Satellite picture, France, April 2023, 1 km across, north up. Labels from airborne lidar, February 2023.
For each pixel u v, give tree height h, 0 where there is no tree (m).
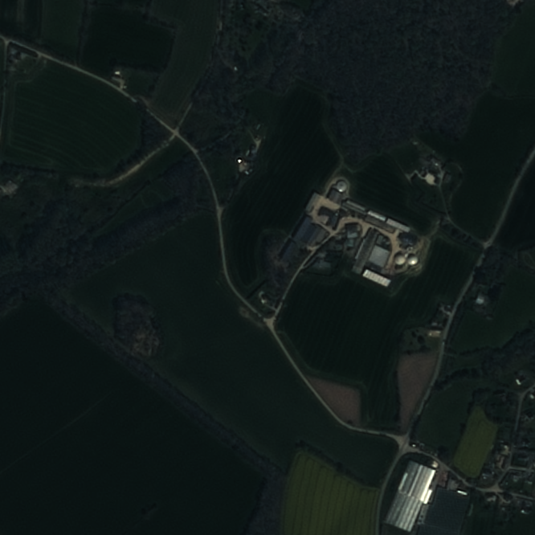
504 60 0
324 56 16
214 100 31
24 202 0
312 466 0
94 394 0
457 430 0
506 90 0
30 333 0
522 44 0
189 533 0
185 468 0
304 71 17
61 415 0
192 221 0
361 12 18
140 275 0
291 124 0
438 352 0
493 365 23
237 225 0
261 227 0
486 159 0
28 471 0
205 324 0
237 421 0
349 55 14
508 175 0
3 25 0
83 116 0
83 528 0
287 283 17
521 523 0
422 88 20
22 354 0
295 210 0
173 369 0
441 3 22
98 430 0
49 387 0
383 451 0
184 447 0
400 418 11
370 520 0
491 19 20
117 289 0
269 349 0
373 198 0
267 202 0
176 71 0
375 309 0
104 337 20
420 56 16
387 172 0
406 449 0
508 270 10
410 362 0
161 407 0
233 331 0
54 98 0
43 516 0
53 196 0
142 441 0
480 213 0
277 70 23
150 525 0
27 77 0
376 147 20
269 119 0
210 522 0
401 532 0
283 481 18
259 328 0
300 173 0
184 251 0
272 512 22
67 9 0
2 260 40
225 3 12
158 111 0
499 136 0
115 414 0
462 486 8
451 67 17
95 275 0
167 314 0
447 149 0
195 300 0
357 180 0
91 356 0
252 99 0
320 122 0
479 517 0
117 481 0
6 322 0
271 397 0
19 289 23
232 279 0
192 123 0
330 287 0
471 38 18
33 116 0
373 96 18
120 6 13
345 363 0
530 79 0
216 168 0
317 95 0
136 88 0
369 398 0
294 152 0
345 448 0
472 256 0
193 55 0
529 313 0
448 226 11
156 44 0
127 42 0
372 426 0
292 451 0
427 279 0
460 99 14
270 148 0
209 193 8
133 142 0
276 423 0
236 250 0
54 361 0
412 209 0
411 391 0
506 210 0
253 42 0
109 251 20
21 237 0
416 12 18
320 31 18
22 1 0
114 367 0
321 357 0
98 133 0
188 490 0
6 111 0
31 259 36
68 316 19
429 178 0
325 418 0
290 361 0
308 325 0
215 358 0
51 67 0
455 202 0
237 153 12
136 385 0
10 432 0
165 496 0
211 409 0
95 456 0
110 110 0
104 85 0
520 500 0
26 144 0
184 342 0
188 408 20
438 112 22
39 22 0
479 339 0
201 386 0
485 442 0
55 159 0
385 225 0
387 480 0
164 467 0
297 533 0
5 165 12
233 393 0
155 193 0
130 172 0
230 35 9
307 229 0
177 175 18
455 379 10
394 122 16
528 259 0
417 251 0
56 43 0
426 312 0
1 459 0
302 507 0
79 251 28
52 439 0
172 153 0
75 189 0
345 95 19
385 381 0
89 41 0
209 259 0
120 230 9
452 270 0
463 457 0
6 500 0
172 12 0
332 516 0
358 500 0
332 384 0
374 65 16
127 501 0
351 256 0
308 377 0
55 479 0
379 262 0
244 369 0
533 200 0
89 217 0
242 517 0
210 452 0
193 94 7
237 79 11
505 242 0
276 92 17
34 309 0
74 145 0
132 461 0
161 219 21
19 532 0
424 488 0
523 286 0
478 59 22
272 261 22
